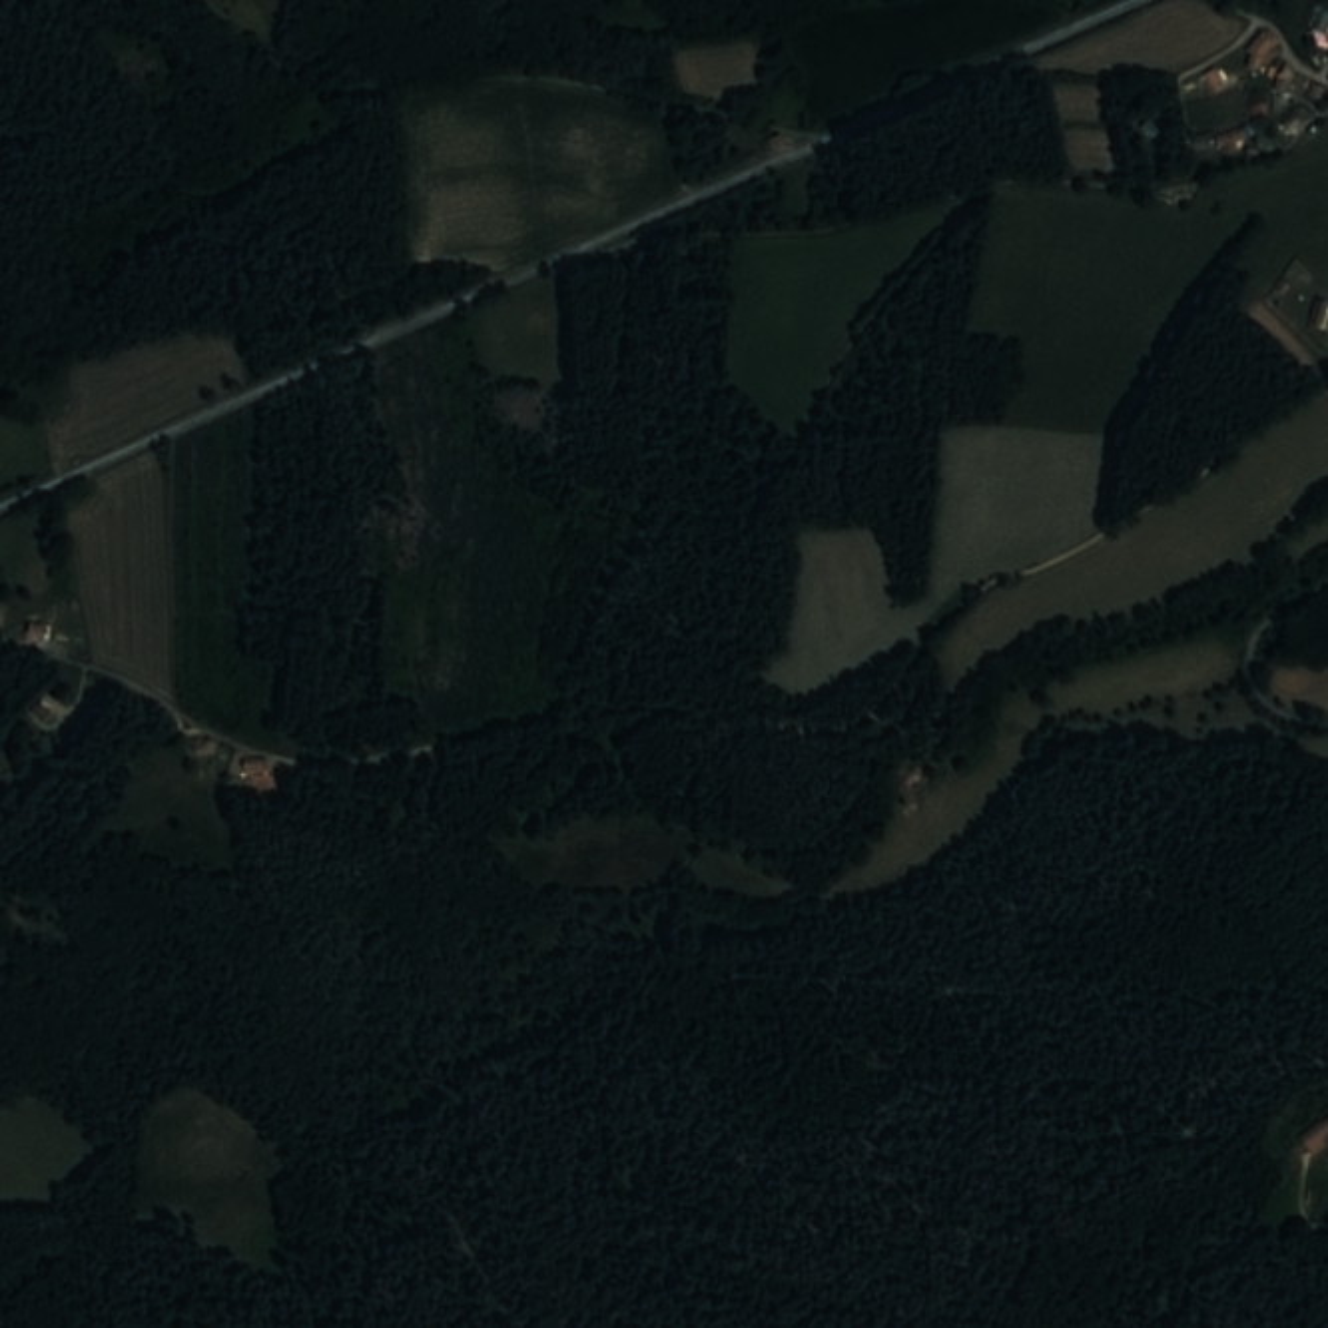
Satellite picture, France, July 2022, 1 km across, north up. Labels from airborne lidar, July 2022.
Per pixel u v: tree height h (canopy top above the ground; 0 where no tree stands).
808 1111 15
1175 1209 24
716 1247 22
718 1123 25
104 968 17
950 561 0
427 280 15
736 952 39
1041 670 20
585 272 27
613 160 0
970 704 18
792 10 22
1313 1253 10
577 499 13
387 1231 29
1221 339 31
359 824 32
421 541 0
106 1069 18
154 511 0
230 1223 0
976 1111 24
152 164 35
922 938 24
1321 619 20
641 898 10
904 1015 13
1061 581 0
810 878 21
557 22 17
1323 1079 15
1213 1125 22
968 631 0
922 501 17
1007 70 16
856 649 0
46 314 24
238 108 17
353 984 10
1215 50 0
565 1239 25
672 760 22
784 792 25
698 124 20
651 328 23
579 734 8
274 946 12
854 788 24
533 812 8
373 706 19
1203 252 0
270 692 0
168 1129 0
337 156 27
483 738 21
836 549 0
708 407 12
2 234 29
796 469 28
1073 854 21
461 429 0
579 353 28
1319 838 22
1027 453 0
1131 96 12
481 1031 17
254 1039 16
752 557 19
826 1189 19
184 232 26
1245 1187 15
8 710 27
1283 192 0
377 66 21
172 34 19
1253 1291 28
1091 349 0
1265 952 18
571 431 25
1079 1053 27
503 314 0
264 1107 20
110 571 0
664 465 18
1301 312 0
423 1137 31
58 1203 15
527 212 0
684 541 27
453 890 15
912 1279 25
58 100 34
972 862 12
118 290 24
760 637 25
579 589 8
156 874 15
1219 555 0
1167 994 28
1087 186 9
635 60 19
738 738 25
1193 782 21
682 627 10
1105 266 0
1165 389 32
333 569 19
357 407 15
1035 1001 24
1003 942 29
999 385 21
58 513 19
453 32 18
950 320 22
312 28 18
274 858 28
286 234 20
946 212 0
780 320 0
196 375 0
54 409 0
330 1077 18
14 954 15
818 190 12
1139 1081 28
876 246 0
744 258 0
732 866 0
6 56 34
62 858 23
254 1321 25
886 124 36
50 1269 24
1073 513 0
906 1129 24
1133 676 0
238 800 26
